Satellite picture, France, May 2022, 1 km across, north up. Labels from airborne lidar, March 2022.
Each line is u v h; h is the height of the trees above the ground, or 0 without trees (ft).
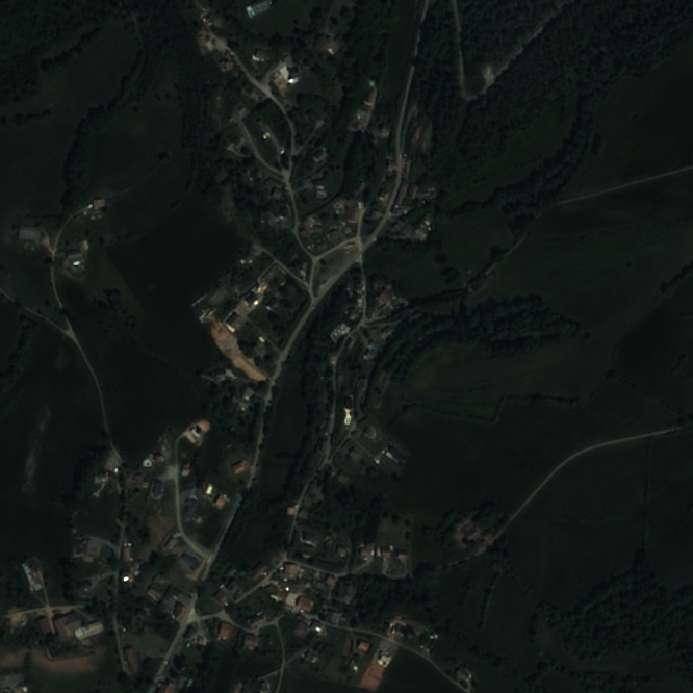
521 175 0
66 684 0
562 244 0
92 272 0
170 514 0
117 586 59
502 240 0
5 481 0
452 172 36
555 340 29
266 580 0
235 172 19
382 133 0
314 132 18
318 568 0
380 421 0
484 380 0
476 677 0
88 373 0
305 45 65
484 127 76
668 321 0
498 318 29
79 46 22
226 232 0
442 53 35
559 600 0
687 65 0
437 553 0
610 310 0
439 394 0
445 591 0
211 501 0
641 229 0
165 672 0
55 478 0
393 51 0
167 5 44
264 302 49
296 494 45
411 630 49
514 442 0
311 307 0
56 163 0
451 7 32
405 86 0
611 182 0
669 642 29
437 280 0
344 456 0
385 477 0
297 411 0
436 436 0
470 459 0
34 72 42
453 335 72
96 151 0
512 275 0
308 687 0
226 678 0
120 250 0
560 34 64
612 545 0
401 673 0
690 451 0
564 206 0
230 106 0
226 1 0
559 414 0
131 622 31
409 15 0
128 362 0
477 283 41
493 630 0
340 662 0
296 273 25
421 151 0
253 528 0
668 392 0
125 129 0
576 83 52
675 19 83
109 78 0
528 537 0
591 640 20
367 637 0
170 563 0
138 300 0
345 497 62
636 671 0
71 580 55
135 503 0
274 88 47
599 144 51
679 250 0
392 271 0
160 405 0
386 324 0
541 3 32
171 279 0
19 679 0
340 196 28
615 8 71
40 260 0
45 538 0
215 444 0
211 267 0
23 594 39
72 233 0
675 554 0
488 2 56
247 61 0
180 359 0
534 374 0
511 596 0
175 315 0
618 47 122
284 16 0
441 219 97
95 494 0
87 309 0
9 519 0
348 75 65
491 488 0
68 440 0
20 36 41
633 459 0
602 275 0
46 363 0
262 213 51
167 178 0
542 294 0
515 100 57
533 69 52
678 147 0
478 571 0
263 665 0
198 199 0
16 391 0
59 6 37
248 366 0
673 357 0
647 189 0
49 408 0
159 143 0
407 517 0
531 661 0
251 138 0
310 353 25
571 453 0
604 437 0
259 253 0
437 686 0
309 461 52
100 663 0
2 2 46
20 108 0
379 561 0
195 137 52
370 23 70
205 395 0
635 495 0
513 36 43
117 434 0
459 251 0
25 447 0
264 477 0
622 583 38
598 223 0
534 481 0
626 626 35
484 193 0
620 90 0
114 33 0
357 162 51
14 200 0
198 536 0
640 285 0
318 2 0
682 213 0
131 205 0
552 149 0
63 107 0
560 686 0
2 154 0
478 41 66
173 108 0
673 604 18
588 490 0
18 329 0
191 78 22
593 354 0
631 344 0
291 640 0
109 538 0
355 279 39
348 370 0
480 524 33
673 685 0
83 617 0
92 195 0
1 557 0
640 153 0
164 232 0
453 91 66
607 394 0
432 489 0
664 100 0
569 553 0
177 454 0
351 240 0
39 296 0
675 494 0
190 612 0
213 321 0
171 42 28
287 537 0
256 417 24
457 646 54
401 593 60
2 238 0
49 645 28
